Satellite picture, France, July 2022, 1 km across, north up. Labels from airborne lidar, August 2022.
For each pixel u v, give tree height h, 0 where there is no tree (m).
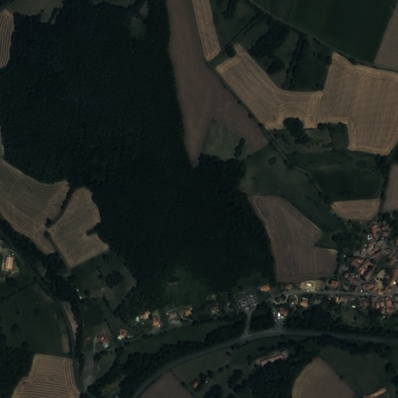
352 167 0
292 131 11
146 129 12
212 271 12
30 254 16
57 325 0
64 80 14
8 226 20
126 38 12
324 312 29
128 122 13
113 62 13
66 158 22
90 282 0
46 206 0
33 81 16
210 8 0
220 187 28
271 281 10
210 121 0
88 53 15
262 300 0
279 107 0
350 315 0
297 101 0
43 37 19
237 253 16
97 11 16
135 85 11
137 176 15
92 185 18
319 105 0
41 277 10
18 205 0
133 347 0
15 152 15
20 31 18
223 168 29
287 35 11
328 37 0
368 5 0
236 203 22
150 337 8
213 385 0
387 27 0
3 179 0
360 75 0
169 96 14
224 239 15
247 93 0
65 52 18
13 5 0
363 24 0
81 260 0
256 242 15
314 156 0
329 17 0
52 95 12
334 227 0
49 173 16
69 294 23
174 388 0
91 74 17
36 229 0
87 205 0
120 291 0
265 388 23
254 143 0
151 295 9
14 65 23
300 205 0
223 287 16
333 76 0
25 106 20
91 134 16
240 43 0
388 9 0
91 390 16
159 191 9
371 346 22
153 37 16
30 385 0
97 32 13
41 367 0
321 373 0
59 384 0
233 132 0
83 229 0
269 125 0
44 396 0
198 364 0
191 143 0
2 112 13
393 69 0
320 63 0
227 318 14
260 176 0
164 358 21
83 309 0
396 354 0
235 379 16
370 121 0
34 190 0
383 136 0
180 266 8
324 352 0
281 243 0
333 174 0
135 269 15
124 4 0
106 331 0
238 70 0
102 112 13
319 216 0
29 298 0
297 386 0
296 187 0
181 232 10
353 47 0
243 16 0
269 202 0
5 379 18
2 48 0
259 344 0
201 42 0
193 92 0
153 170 15
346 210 0
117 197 15
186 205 12
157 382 0
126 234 13
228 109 0
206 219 15
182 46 0
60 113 14
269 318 17
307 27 0
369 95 0
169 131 15
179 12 0
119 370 18
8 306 0
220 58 0
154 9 14
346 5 0
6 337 12
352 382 0
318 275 0
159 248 11
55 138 12
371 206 0
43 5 0
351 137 0
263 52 11
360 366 0
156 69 12
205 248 10
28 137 16
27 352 15
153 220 12
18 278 0
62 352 0
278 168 0
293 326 26
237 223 20
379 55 0
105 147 13
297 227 0
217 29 0
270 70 13
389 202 0
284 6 0
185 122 0
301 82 0
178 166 13
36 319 0
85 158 15
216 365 0
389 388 0
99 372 0
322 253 0
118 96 12
